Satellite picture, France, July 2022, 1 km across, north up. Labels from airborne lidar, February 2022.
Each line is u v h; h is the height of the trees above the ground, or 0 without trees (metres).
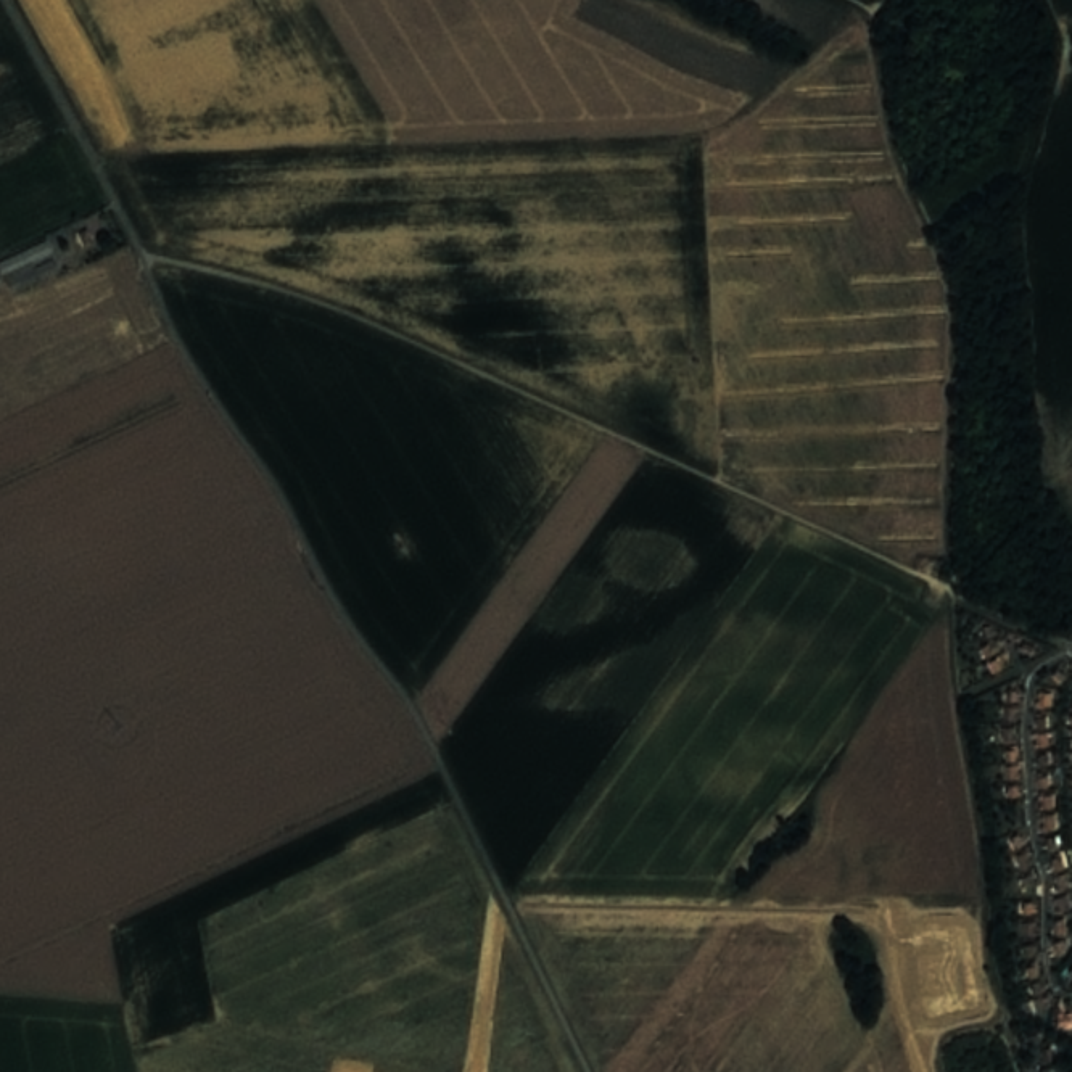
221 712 0
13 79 0
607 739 0
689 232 0
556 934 0
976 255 20
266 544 0
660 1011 0
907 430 0
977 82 15
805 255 0
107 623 0
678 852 0
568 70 0
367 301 0
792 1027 0
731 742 0
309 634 0
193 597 0
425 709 0
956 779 0
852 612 0
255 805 0
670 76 0
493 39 0
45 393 0
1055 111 0
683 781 0
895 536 0
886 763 0
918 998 0
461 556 0
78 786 0
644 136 0
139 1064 0
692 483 0
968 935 0
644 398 0
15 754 0
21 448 0
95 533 0
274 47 0
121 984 0
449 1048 0
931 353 0
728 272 0
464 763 0
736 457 0
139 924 0
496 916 0
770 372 0
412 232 0
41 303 0
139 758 0
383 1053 0
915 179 11
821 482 0
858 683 0
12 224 0
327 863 0
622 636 0
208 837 0
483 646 0
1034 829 0
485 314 0
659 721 0
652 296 0
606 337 0
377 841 0
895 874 0
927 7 7
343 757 0
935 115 8
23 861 0
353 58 0
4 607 0
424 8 0
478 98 0
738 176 0
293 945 0
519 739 0
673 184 0
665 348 0
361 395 0
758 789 0
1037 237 0
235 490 0
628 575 0
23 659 0
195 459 0
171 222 0
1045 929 0
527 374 0
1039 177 0
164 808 0
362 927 0
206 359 0
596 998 0
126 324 0
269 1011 0
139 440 0
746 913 0
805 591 0
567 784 0
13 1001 0
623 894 0
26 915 0
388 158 0
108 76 0
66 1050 0
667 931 0
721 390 0
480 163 0
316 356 0
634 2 0
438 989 0
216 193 0
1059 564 21
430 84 0
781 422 0
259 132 0
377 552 0
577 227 0
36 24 0
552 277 0
